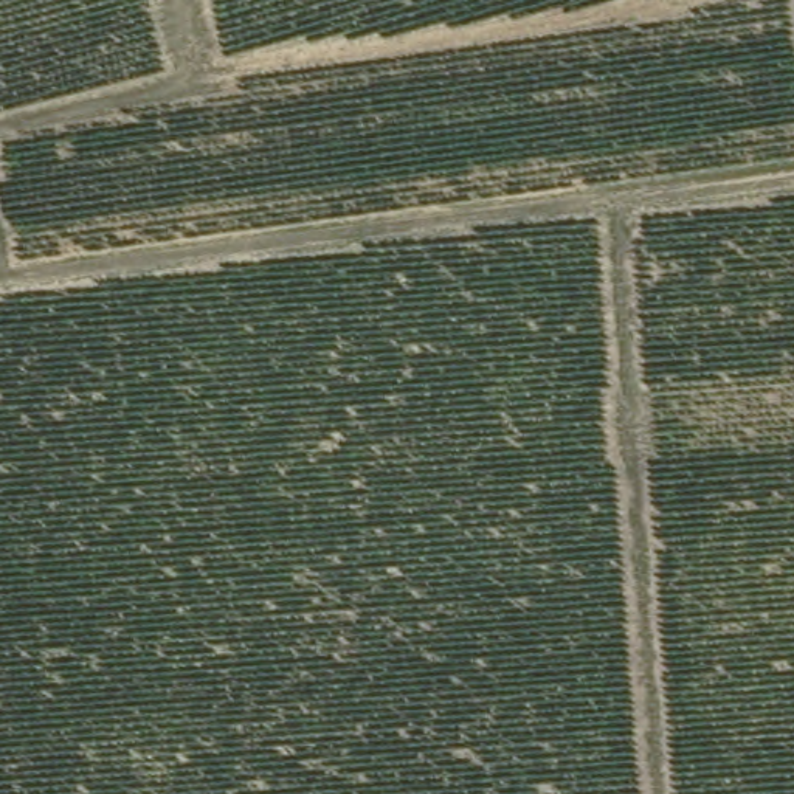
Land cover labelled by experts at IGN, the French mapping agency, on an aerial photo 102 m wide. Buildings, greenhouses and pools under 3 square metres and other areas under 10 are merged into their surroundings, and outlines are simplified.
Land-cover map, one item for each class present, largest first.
<instances>
[{"label":"vineyard","instance_id":"1","mask_svg":"<svg viewBox=\"0 0 794 794\"><path fill-rule=\"evenodd\" d=\"M149 0H0V109L158 71V43L152 34V19L146 12ZM220 47L226 56H239L242 68L248 71L245 78H239L233 96L208 99L205 105H186L177 112L146 109L136 124H93L12 140L3 146L6 180L0 183V202L12 226L19 230V257H40L56 254L65 242L81 248H124L140 245L146 239L161 242L174 236L233 233L251 226L301 223L319 217L394 211L416 205H453L471 195L493 199L512 192L561 189L574 180L608 183L620 174L658 177L698 167H726L741 164L744 155L769 161L794 155V0H214ZM642 316V357L645 381L651 388V422L658 450V456L648 462V471L651 502L658 509L654 524L658 537L664 540L658 589L676 794H794V195H775L769 205L757 208L645 214L642 239H636L633 251ZM605 326L599 292V236L592 220L490 223L475 226L462 236L366 242L357 254L273 257L251 264H223L214 273L102 279L90 288L16 292L0 298V794H639L633 754V695L627 673L623 574L611 568V558L620 555V537L614 468L605 459L602 434Z\"/></svg>","mask_w":794,"mask_h":794},{"label":"herbaceous vegetation","instance_id":"2","mask_svg":"<svg viewBox=\"0 0 794 794\"><path fill-rule=\"evenodd\" d=\"M146 12L152 19V34L158 43V71L0 109V183L6 180L3 146L12 140L93 124H136L146 109L177 112L186 105H205L208 99L233 96L239 78H245L248 71L242 68L239 56H226L220 47L214 0H149ZM775 195H794V155L769 161L744 155L741 164L726 167H698L658 177L620 174L608 183L574 180L561 189L512 192L493 199L471 195L453 205H416L394 211L319 217L301 223L251 226L233 233L174 236L161 242L146 239L140 245L124 248H81L65 242L56 254L40 257H19V230L12 226L0 202V298L16 292L90 288L102 279L214 273L223 264H251L273 257L357 254L366 242L462 236L475 226L490 223L592 220L599 236V292L605 326L602 434L605 459L614 468L620 537V555L611 558V568L623 574L627 673L633 695V754L639 794H676L658 589L664 540L658 537L654 524L658 509L651 502L648 471V462L658 456V450L651 422V388L645 381L642 357V316L633 251L636 239H642L645 214L757 208L769 205Z\"/></svg>","mask_w":794,"mask_h":794}]
</instances>
